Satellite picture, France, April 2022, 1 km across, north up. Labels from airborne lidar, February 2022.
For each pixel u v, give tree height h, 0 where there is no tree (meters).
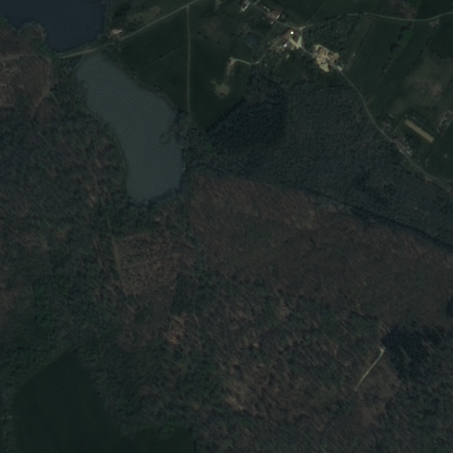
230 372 29
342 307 21
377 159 16
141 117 0
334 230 13
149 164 0
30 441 0
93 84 0
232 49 0
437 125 0
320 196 18
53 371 0
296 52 0
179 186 0
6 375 25
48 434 0
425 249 22
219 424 31
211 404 21
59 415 0
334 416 26
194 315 28
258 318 28
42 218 25
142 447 0
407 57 0
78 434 0
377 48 0
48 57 13
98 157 27
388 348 31
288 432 27
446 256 15
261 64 0
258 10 0
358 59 0
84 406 0
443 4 0
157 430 0
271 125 23
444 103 0
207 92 0
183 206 25
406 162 0
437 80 0
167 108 0
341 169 13
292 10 0
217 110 0
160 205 27
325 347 29
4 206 27
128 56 0
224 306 31
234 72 0
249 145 22
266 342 26
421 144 0
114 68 0
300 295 17
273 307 31
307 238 17
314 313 28
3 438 0
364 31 0
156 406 28
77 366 0
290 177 6
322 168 19
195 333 30
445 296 16
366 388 0
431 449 30
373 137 8
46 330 14
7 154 29
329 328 27
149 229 24
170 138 0
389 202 10
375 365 0
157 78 0
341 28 15
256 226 15
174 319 0
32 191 31
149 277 0
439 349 27
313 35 13
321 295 22
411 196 18
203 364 21
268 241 16
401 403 26
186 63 0
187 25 0
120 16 11
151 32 0
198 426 32
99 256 16
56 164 32
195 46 0
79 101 6
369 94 0
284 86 17
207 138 17
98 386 18
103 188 16
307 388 0
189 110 0
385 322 16
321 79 0
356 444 27
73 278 21
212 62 0
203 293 21
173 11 0
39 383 0
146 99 0
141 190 0
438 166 0
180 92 0
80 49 0
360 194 19
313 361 30
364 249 18
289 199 23
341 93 12
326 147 16
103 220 28
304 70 0
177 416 31
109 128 12
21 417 0
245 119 22
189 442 0
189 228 6
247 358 30
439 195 14
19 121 22
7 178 28
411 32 12
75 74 0
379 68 0
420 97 0
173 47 0
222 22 0
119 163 25
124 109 0
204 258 17
